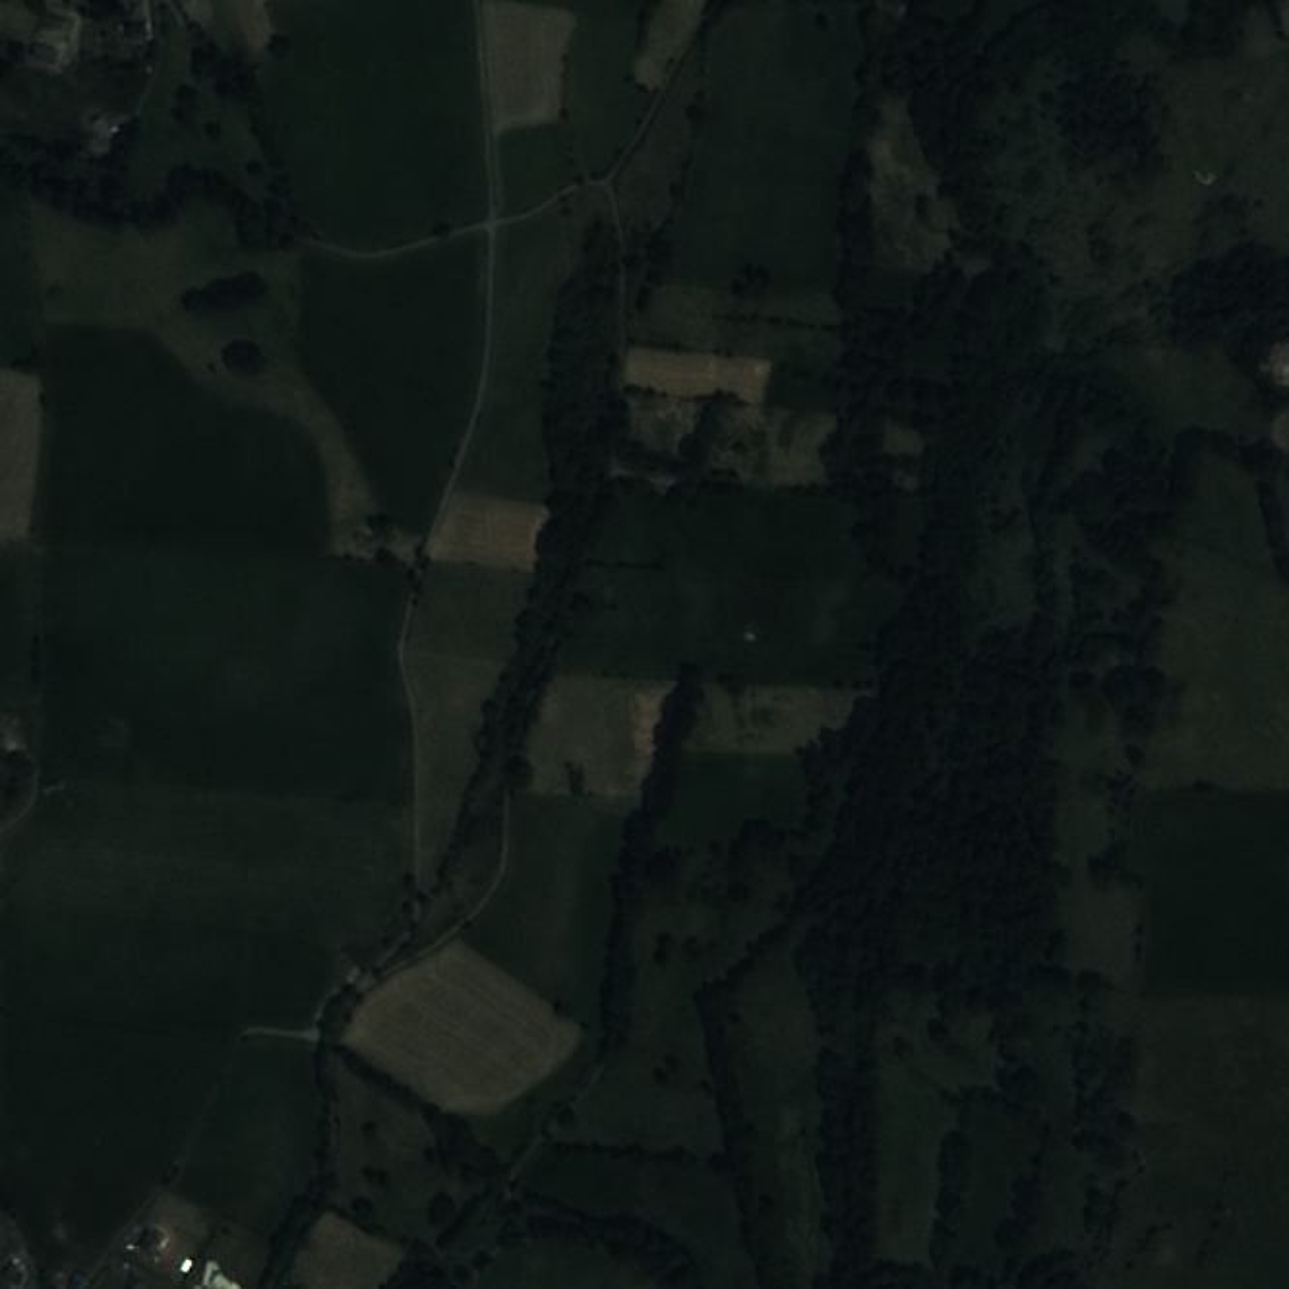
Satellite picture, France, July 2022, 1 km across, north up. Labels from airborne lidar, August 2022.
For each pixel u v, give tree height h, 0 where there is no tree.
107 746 0
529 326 0
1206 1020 0
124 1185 0
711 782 0
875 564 17
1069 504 17
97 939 0
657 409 0
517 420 0
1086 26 13
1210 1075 0
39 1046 0
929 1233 0
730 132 0
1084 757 0
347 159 0
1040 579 14
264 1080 0
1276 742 0
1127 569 18
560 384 20
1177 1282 0
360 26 0
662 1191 0
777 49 0
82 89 0
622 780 0
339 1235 0
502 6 0
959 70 15
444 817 0
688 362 0
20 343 0
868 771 18
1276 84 0
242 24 0
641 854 18
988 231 9
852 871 19
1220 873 0
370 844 0
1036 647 21
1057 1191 0
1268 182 0
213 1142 0
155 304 0
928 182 0
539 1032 0
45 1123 0
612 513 19
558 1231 19
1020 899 22
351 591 0
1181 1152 0
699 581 0
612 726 0
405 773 0
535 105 0
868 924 14
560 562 7
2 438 0
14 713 0
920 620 21
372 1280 0
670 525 0
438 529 0
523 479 0
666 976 0
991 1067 0
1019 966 22
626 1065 0
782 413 0
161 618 0
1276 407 8
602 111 0
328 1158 17
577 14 0
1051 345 0
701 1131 0
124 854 0
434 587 0
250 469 0
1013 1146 0
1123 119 8
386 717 0
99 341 0
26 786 0
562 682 0
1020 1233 19
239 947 0
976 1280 19
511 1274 0
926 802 15
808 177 0
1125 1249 0
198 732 0
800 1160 0
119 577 0
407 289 0
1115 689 21
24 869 0
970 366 9
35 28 0
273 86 0
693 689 20
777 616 0
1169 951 0
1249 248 8
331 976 0
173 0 9
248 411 0
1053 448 9
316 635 0
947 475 8
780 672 0
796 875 8
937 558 13
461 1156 14
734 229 0
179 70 0
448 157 0
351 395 0
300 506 0
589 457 9
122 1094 0
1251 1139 0
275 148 13
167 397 0
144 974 0
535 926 0
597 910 0
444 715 0
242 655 0
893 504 16
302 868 0
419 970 0
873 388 17
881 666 12
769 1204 15
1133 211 0
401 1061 0
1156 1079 0
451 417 0
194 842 0
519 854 0
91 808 0
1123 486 21
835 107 0
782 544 0
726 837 0
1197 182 0
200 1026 0
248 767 0
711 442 9
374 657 0
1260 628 0
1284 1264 0
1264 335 11
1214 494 0
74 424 0
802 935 0
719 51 0
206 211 0
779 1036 0
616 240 9
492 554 0
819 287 0
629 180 0
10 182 11
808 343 0
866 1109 16
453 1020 0
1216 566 0
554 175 0
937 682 13
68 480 0
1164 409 0
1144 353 0
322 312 0
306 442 0
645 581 0
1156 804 0
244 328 0
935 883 18
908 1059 14
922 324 16
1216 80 0
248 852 0
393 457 0
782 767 0
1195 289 16
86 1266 0
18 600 0
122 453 0
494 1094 0
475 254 0
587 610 18
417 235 0
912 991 14
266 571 0
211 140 10
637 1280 0
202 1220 0
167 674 0
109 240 0
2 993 0
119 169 16
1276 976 0
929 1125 0
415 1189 0
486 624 0
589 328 9
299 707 0
